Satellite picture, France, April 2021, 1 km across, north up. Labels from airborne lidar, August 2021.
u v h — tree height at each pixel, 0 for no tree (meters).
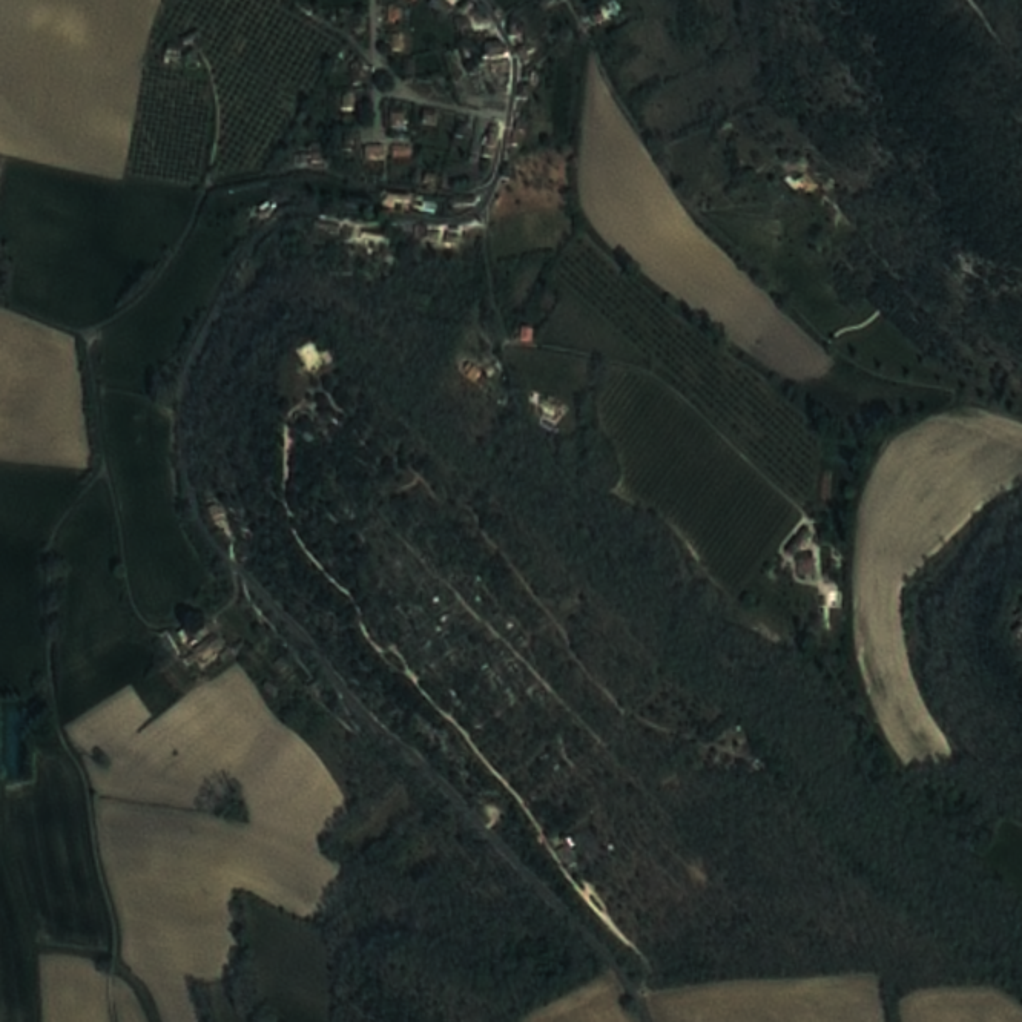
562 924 10
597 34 10
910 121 8
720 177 0
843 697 7
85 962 0
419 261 12
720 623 14
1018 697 11
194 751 0
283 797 0
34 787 0
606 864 12
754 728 10
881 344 0
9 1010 0
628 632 11
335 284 7
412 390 15
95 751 0
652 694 8
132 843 0
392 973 9
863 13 7
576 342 0
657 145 18
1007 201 10
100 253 0
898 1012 13
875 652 0
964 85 7
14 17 0
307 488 9
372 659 7
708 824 15
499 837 9
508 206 0
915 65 8
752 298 0
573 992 13
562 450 17
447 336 22
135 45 0
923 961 14
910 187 5
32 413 0
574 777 11
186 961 0
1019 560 17
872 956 13
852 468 25
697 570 16
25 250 0
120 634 0
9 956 0
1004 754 10
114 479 0
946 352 13
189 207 0
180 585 0
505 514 10
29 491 0
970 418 0
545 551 14
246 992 21
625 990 0
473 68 9
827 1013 0
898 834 24
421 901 16
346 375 9
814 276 0
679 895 12
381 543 12
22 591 0
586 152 0
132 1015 0
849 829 17
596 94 0
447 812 14
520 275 0
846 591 8
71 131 0
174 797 0
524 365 0
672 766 12
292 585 9
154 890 0
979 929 16
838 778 15
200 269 0
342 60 6
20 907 0
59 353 0
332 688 16
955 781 22
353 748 12
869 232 14
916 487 0
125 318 0
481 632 12
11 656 0
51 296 0
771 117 0
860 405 0
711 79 0
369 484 12
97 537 0
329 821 0
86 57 0
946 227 8
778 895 14
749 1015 0
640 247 0
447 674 12
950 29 7
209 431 12
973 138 10
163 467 0
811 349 0
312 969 0
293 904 0
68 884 0
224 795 14
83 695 0
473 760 6
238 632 0
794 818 10
